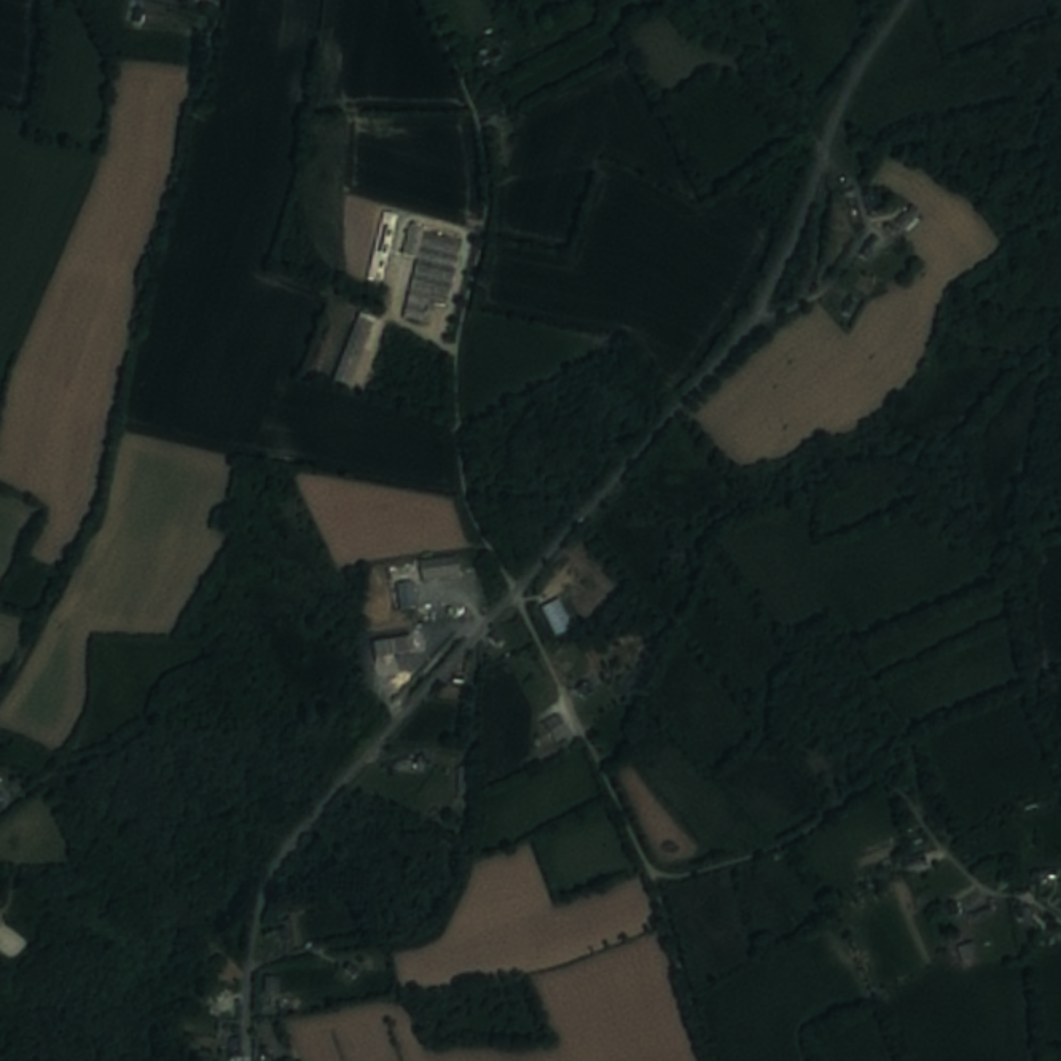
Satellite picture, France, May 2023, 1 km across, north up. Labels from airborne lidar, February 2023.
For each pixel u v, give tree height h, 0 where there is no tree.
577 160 0
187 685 10
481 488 8
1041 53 0
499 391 0
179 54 0
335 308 0
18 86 0
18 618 8
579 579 0
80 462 0
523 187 0
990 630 10
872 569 0
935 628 0
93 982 8
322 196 0
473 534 0
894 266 0
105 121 9
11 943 0
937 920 10
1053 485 15
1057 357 16
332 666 0
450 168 0
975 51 14
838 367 0
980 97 0
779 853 7
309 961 7
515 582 0
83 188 0
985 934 0
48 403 0
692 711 0
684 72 0
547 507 13
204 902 10
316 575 0
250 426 0
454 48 13
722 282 0
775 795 0
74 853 10
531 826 0
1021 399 0
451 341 13
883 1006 9
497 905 0
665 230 0
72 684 0
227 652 11
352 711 9
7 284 0
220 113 0
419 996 15
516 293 0
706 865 8
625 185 0
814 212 8
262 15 0
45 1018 6
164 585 0
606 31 8
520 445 9
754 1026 0
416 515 0
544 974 0
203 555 0
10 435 0
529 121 0
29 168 0
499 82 9
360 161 0
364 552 0
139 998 12
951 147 10
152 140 0
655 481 0
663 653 16
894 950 0
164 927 8
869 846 0
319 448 0
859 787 15
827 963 0
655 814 0
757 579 0
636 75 12
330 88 0
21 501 6
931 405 0
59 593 6
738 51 11
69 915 12
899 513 17
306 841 8
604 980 0
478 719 9
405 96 0
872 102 0
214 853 10
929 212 0
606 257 0
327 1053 0
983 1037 0
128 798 10
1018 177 7
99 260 0
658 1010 0
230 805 8
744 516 16
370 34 0
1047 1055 9
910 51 0
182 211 0
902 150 14
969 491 16
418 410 8
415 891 10
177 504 0
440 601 0
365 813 10
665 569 8
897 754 12
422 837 7
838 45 0
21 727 0
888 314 0
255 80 0
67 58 0
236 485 10
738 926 0
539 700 0
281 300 0
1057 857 0
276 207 0
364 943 15
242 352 0
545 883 6
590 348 0
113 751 14
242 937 7
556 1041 11
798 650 13
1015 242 15
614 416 24
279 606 0
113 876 11
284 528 0
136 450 0
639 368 16
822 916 9
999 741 0
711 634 0
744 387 0
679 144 13
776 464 5
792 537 0
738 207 0
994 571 16
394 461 0
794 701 16
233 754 8
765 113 9
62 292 0
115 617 0
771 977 0
